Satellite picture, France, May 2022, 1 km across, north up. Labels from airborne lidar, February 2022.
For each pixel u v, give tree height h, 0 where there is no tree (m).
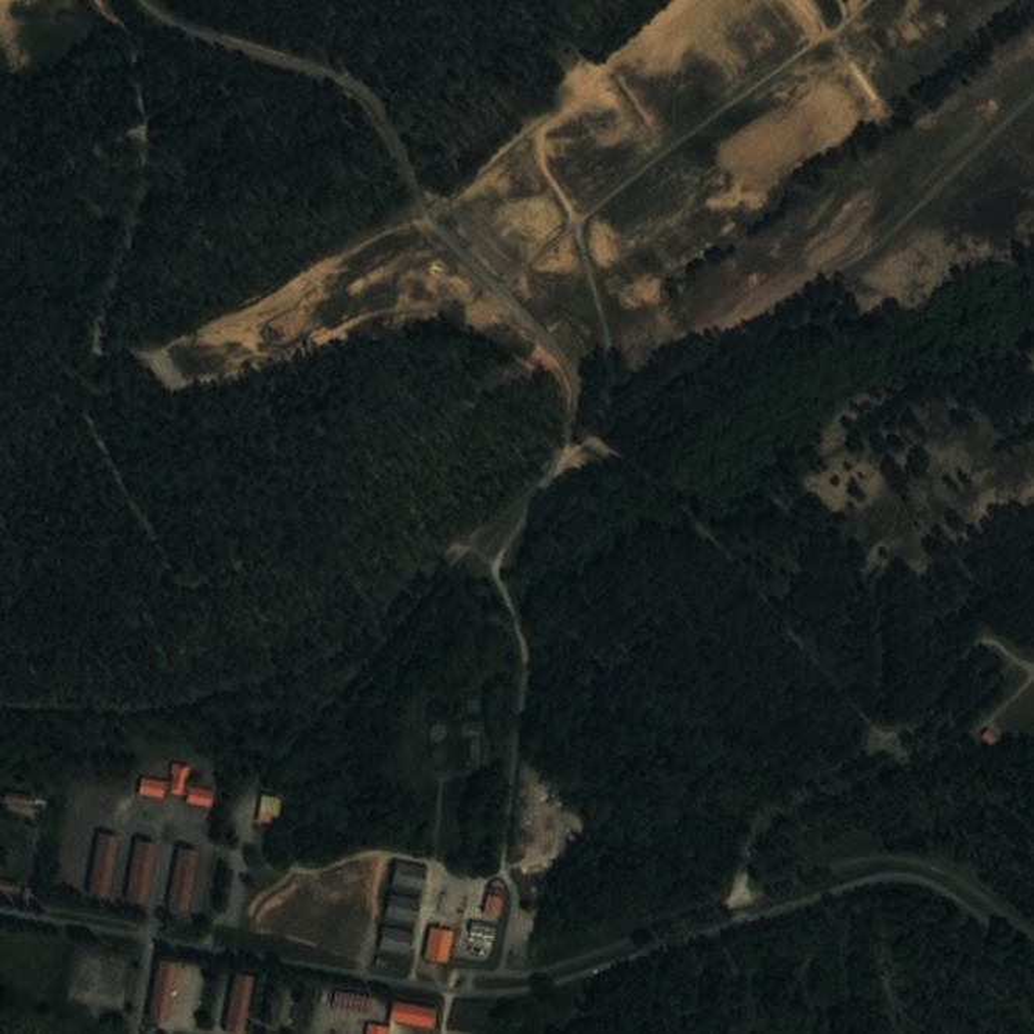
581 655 24
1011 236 0
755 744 28
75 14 0
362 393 25
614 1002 25
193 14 20
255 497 24
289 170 22
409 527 28
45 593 22
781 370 13
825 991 23
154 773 0
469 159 20
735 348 23
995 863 25
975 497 0
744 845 14
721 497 6
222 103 20
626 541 18
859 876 0
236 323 0
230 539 22
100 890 0
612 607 23
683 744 29
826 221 0
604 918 26
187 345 0
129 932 0
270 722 14
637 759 21
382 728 24
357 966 0
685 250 0
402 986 0
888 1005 23
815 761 24
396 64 20
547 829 0
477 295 0
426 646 20
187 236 22
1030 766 20
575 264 0
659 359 19
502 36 24
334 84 16
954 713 21
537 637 29
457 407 22
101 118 7
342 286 0
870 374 6
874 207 0
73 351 24
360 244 0
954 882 0
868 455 0
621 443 19
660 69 0
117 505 22
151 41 18
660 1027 22
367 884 0
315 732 26
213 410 24
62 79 18
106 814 0
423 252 0
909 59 0
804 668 23
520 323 0
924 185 0
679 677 21
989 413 18
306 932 0
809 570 14
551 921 23
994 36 9
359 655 14
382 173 22
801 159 0
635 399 17
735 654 30
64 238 23
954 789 18
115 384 25
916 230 0
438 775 0
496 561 0
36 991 0
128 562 22
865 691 27
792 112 0
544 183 0
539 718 24
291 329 0
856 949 22
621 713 22
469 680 20
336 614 29
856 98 0
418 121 21
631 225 0
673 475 6
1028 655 0
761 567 13
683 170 0
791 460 22
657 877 23
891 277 0
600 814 25
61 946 0
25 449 21
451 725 0
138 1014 0
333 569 16
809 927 23
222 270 25
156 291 25
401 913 0
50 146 15
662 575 21
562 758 24
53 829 23
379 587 23
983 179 0
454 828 0
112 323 21
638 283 0
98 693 20
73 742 23
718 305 0
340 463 20
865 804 23
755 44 0
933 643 24
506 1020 18
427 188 15
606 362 24
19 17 0
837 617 17
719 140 0
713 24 0
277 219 25
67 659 18
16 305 24
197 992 0
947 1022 18
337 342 0
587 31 24
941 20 0
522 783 0
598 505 7
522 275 0
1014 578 24
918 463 14
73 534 19
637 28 10
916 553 0
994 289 6
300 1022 0
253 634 24
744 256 0
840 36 0
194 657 27
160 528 25
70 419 16
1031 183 0
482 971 0
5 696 19
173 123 22
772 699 28
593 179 0
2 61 0
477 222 0
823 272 0
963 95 0
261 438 26
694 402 26
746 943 22
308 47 18
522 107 25
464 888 0
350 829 18
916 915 24
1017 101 0
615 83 0
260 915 0
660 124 0
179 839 0
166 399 27
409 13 17
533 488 0
